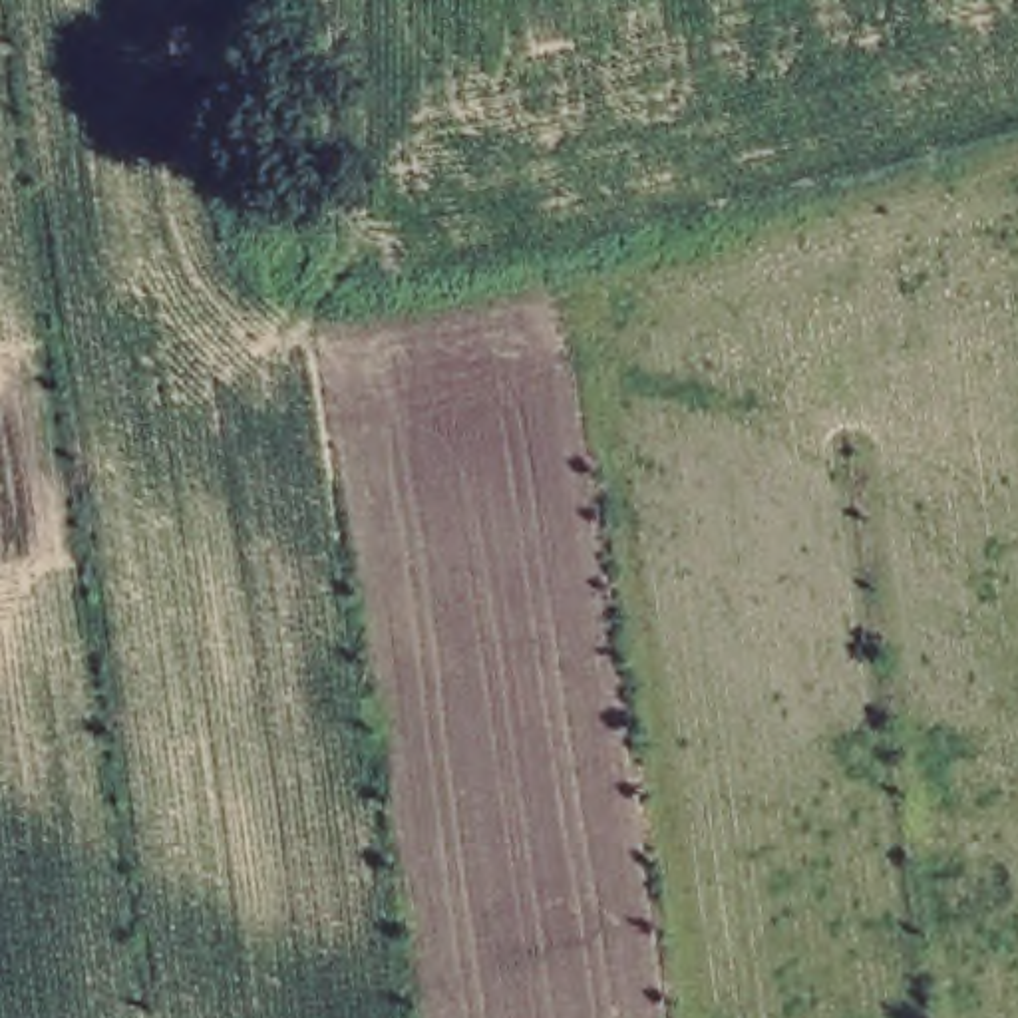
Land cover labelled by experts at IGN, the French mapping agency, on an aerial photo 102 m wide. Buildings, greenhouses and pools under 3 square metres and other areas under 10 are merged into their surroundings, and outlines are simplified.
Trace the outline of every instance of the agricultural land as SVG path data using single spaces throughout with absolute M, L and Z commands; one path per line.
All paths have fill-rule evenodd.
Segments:
M 322 0 L 326 28 L 314 36 L 314 52 L 326 52 L 338 36 L 354 36 L 358 72 L 350 84 L 358 91 L 346 111 L 338 107 L 326 115 L 326 107 L 318 107 L 314 135 L 330 143 L 350 139 L 354 147 L 366 147 L 366 167 L 378 171 L 370 207 L 350 211 L 342 223 L 346 255 L 334 262 L 338 270 L 358 262 L 366 247 L 378 247 L 378 262 L 386 274 L 425 282 L 425 274 L 437 266 L 497 270 L 521 262 L 525 255 L 565 258 L 589 247 L 593 239 L 604 239 L 612 231 L 640 231 L 656 219 L 680 219 L 684 231 L 696 231 L 696 219 L 712 207 L 724 207 L 724 199 L 752 199 L 827 171 L 863 175 L 919 159 L 931 147 L 970 147 L 998 135 L 1010 135 L 1018 143 L 1018 0 Z
M 187 115 L 211 84 L 211 76 L 199 76 L 191 68 L 191 52 L 199 36 L 215 32 L 223 20 L 251 20 L 251 0 L 20 0 L 28 119 L 8 123 L 0 91 L 0 1018 L 668 1018 L 668 958 L 656 931 L 652 859 L 648 851 L 640 851 L 648 835 L 636 811 L 636 760 L 624 744 L 632 736 L 628 696 L 616 692 L 612 668 L 620 664 L 616 608 L 604 565 L 596 561 L 596 533 L 604 513 L 596 509 L 600 493 L 593 485 L 581 390 L 565 354 L 565 334 L 557 326 L 553 290 L 517 290 L 437 314 L 398 314 L 366 322 L 314 322 L 298 318 L 294 310 L 258 314 L 251 310 L 258 302 L 255 290 L 243 282 L 243 270 L 223 251 L 219 215 L 227 207 L 223 199 L 199 199 L 187 183 L 195 139 L 187 131 Z M 8 163 L 16 139 L 28 139 L 40 163 L 40 175 L 28 187 L 16 187 Z M 72 370 L 84 398 L 87 441 L 52 449 L 48 390 L 56 390 L 56 378 L 40 374 L 36 338 L 24 310 L 40 298 L 40 274 L 56 262 L 64 278 Z M 350 513 L 350 545 L 358 565 L 354 585 L 342 581 L 334 561 L 334 481 L 342 481 Z M 64 541 L 64 521 L 76 513 L 76 501 L 91 493 L 99 509 L 103 577 L 123 680 L 119 728 L 127 736 L 131 756 L 139 863 L 115 859 L 115 843 L 103 831 L 107 807 L 95 787 L 95 740 L 103 736 L 103 720 L 91 720 L 84 640 L 72 604 L 72 557 Z M 366 652 L 334 644 L 334 596 L 350 596 L 350 589 L 366 593 L 370 600 Z

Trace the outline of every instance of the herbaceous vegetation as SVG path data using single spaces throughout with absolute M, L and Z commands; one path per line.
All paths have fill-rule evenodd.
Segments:
M 366 593 L 350 589 L 350 596 L 334 596 L 334 644 L 366 652 L 370 600 Z
M 354 585 L 358 565 L 350 545 L 350 513 L 342 481 L 334 481 L 334 561 L 342 581 Z
M 16 187 L 28 187 L 40 175 L 40 163 L 28 139 L 16 139 L 8 163 Z
M 56 378 L 56 390 L 48 390 L 52 449 L 87 441 L 84 398 L 72 370 L 64 278 L 56 262 L 40 274 L 40 298 L 24 310 L 36 338 L 40 374 Z
M 99 509 L 91 493 L 76 501 L 76 513 L 64 521 L 64 541 L 72 557 L 72 604 L 84 640 L 91 720 L 103 720 L 103 736 L 95 740 L 95 787 L 107 807 L 103 831 L 115 843 L 115 859 L 139 863 L 131 756 L 127 736 L 119 728 L 123 680 L 103 577 Z
M 8 123 L 28 119 L 20 0 L 0 0 L 0 91 Z
M 998 135 L 970 147 L 931 147 L 919 159 L 863 175 L 827 171 L 752 199 L 724 199 L 724 207 L 712 207 L 696 219 L 696 231 L 684 231 L 680 219 L 656 219 L 640 231 L 612 231 L 604 239 L 593 239 L 589 247 L 565 258 L 525 255 L 521 262 L 497 270 L 437 266 L 425 274 L 425 282 L 386 274 L 378 262 L 378 247 L 366 247 L 358 262 L 338 270 L 334 262 L 346 255 L 342 223 L 350 211 L 322 207 L 314 227 L 286 231 L 270 227 L 258 215 L 239 215 L 227 207 L 219 215 L 223 251 L 243 270 L 243 282 L 255 290 L 258 302 L 251 310 L 258 314 L 294 310 L 298 318 L 314 322 L 366 322 L 398 314 L 437 314 L 517 290 L 553 290 L 557 326 L 565 334 L 565 354 L 581 390 L 593 485 L 600 493 L 596 509 L 604 513 L 596 533 L 596 561 L 604 565 L 616 608 L 620 664 L 612 668 L 616 692 L 628 696 L 632 736 L 624 744 L 636 760 L 636 811 L 648 835 L 640 851 L 648 851 L 652 859 L 656 931 L 668 958 L 668 1018 L 1018 1018 L 1018 143 L 1010 135 Z

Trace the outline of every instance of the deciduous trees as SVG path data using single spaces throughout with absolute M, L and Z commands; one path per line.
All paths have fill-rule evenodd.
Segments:
M 354 147 L 350 139 L 330 143 L 314 135 L 318 107 L 326 107 L 326 115 L 338 107 L 346 111 L 358 91 L 350 84 L 358 72 L 354 36 L 338 36 L 326 52 L 314 52 L 314 36 L 326 28 L 322 0 L 251 0 L 251 20 L 223 20 L 215 32 L 199 36 L 191 52 L 191 68 L 199 76 L 211 76 L 211 84 L 187 115 L 187 131 L 195 139 L 187 183 L 199 199 L 223 199 L 227 207 L 239 215 L 258 215 L 270 227 L 286 231 L 314 227 L 322 207 L 350 211 L 370 207 L 378 171 L 366 167 L 366 147 Z

